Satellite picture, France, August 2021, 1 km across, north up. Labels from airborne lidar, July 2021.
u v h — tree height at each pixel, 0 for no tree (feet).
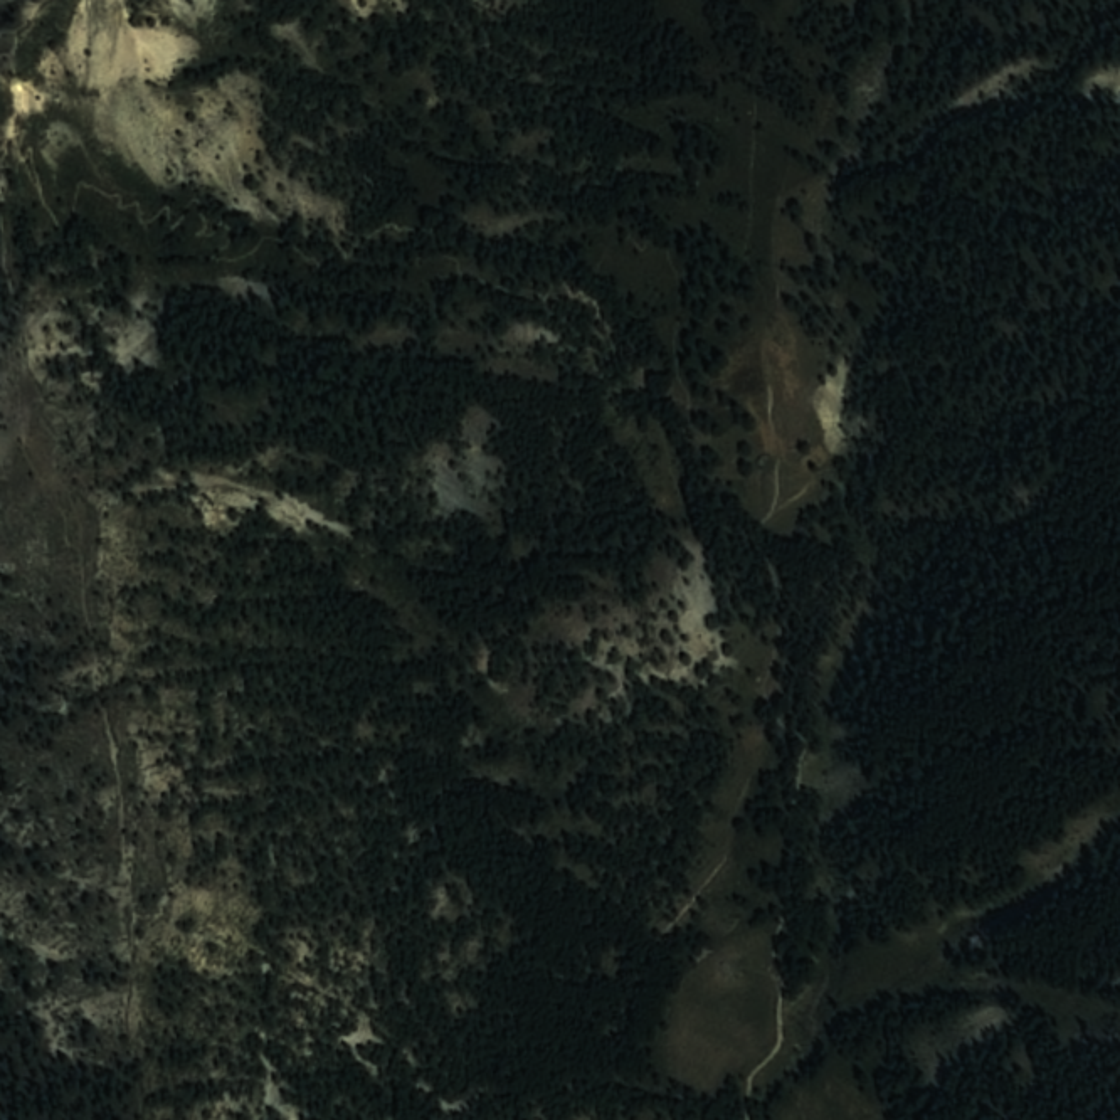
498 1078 54
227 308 33
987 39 43
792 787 38
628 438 0
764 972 0
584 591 39
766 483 0
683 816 47
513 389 50
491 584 38
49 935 0
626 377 38
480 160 31
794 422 0
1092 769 54
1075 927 73
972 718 70
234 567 42
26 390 0
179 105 0
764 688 0
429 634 0
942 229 36
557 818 0
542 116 70
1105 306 21
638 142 27
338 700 34
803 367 0
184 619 53
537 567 67
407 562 40
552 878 66
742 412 59
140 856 0
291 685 47
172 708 0
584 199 55
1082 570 60
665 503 0
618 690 0
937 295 44
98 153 0
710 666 45
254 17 35
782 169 0
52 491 0
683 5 0
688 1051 0
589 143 48
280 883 43
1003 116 51
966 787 73
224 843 39
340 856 30
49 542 0
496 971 54
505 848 55
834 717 67
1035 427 30
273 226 0
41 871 38
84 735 0
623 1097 65
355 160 28
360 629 53
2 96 0
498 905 31
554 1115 37
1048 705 41
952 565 60
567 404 51
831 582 46
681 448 41
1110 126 50
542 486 37
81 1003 0
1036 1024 51
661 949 61
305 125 36
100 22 0
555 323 45
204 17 0
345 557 26
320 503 0
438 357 54
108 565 0
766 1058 0
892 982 0
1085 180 25
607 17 50
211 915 0
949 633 72
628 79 39
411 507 41
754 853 0
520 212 49
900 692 43
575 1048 73
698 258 70
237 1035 0
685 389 0
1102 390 24
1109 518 70
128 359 0
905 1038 60
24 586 0
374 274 43
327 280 43
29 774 0
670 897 46
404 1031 38
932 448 55
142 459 0
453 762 46
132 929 0
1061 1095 58
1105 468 68
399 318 47
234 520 33
